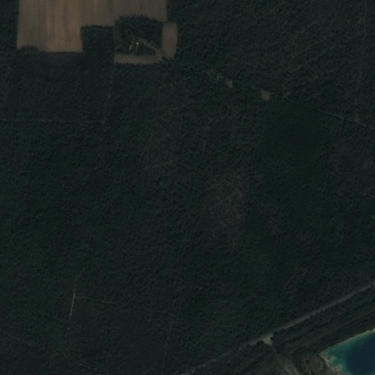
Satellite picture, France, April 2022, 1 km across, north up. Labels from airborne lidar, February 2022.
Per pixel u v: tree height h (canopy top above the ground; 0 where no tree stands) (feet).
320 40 44
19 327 30
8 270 48
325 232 32
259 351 51
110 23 0
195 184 42
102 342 27
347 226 62
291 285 30
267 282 29
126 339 24
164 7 0
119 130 43
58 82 36
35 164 47
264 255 34
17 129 38
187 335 40
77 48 0
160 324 46
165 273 41
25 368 39
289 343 48
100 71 24
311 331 43
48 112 19
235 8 31
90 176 35
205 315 33
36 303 44
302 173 44
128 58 0
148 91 41
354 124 42
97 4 0
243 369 19
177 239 39
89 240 41
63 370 35
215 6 38
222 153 27
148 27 46
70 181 32
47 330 37
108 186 41
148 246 38
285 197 46
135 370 31
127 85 45
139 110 51
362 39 37
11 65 57
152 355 26
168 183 47
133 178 47
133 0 0
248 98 46
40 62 52
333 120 52
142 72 33
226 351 40
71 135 36
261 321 50
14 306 33
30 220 49
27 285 39
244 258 40
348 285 27
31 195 45
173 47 0
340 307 54
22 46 0
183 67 28
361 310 47
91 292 48
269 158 34
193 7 50
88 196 47
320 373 0
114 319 26
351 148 42
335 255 50
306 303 43
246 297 39
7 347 29
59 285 32
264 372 0
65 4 0
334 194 38
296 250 33
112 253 42
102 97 30
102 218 47
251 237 33
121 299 38
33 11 0
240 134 42
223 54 37
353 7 34
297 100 41
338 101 49
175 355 40
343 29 42
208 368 42
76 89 31
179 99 38
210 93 49
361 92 40
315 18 35
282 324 32
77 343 28
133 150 39
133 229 45
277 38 44
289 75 34
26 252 53
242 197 0
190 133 49
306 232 52
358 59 37
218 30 30
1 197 30
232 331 50
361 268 46
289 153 36
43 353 33
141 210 43
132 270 40
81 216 32
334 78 54
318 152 36
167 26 0
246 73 29
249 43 38
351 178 40
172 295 41
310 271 36
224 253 35
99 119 35
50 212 41
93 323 28
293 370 0
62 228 44
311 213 49
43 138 50
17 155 29
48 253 46
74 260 29
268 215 36
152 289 37
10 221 59
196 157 53
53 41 0
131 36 38
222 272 31
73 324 30
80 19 0
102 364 38
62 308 36
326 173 45
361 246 32
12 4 46
